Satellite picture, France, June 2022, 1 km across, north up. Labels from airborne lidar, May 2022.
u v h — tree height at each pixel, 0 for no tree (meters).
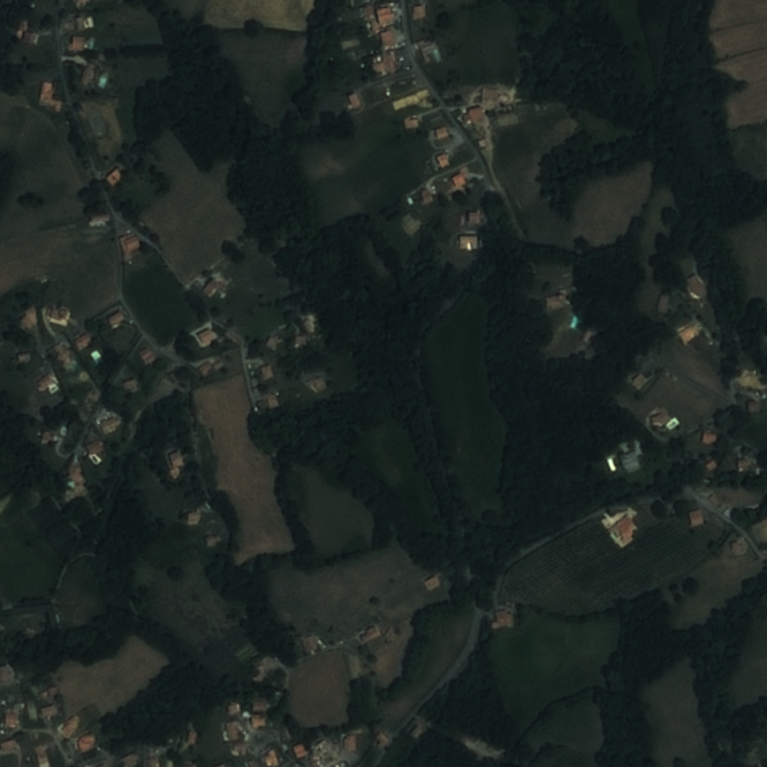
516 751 26
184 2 0
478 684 17
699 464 19
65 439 0
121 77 0
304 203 20
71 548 7
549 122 0
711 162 7
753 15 0
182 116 19
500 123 0
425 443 21
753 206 19
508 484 23
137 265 0
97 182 15
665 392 0
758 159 0
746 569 0
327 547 0
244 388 0
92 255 0
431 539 20
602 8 7
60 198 0
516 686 0
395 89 0
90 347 9
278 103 0
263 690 11
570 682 0
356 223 23
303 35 8
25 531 0
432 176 0
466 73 0
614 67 27
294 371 10
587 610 0
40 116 0
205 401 0
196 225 0
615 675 26
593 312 24
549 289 7
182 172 0
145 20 0
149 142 14
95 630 14
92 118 0
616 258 20
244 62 0
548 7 17
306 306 11
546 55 20
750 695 0
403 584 0
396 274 18
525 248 22
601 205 0
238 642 0
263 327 0
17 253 0
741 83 7
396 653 0
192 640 0
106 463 0
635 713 21
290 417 22
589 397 22
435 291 26
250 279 0
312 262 19
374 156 0
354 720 12
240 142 11
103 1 0
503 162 0
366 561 0
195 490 8
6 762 0
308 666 0
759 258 0
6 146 0
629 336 26
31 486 12
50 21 15
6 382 0
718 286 24
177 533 0
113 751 13
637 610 18
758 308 25
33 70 14
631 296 21
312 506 0
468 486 0
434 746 24
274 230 13
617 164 14
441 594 0
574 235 0
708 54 9
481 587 24
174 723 22
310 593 0
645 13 15
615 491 21
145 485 0
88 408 0
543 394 18
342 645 0
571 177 20
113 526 11
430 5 0
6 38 12
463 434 0
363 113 0
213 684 13
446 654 0
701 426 6
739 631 27
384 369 24
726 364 18
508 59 0
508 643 0
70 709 0
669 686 0
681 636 13
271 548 0
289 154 21
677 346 0
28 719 0
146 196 0
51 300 0
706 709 15
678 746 0
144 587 6
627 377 16
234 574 20
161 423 25
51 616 11
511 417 17
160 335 0
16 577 0
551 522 29
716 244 33
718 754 8
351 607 0
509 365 21
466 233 0
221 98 18
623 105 29
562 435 26
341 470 11
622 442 12
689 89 15
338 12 7
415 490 0
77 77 6
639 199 0
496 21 0
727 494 0
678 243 22
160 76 0
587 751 0
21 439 20
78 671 0
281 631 19
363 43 0
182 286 8
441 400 0
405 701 0
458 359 0
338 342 17
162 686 18
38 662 18
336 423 27
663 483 19
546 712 6
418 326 20
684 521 0
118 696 0
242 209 17
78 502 13
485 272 26
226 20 0
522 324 23
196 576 0
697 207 22
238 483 0
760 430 0
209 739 0
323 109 0
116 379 0
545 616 6
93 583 0
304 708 0
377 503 22
